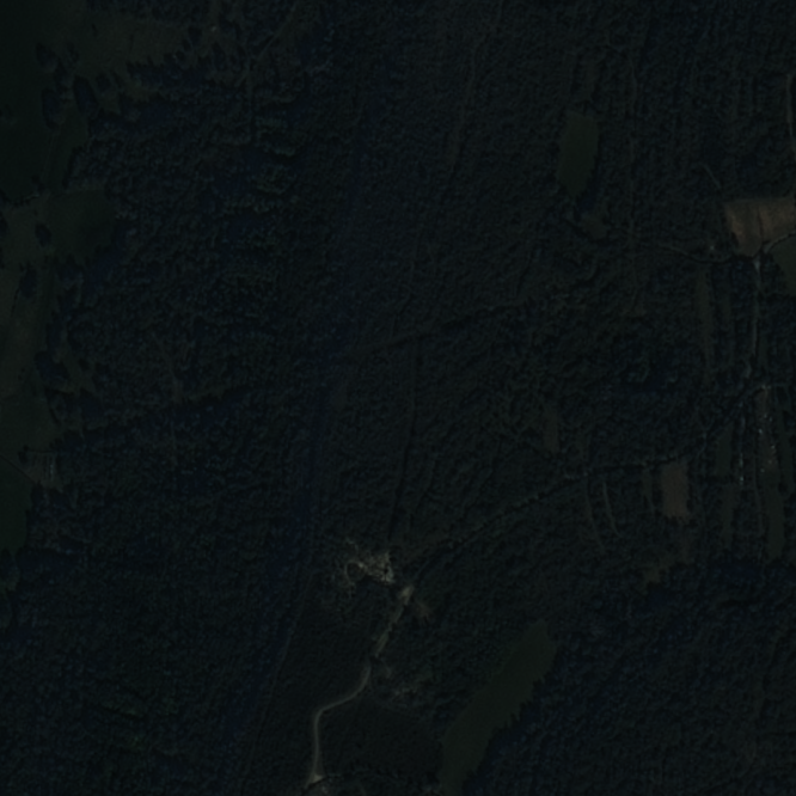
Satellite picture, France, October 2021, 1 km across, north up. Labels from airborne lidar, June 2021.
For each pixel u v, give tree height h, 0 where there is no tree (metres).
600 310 16
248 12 6
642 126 8
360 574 6
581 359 21
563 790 11
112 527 21
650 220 9
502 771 13
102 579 17
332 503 9
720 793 8
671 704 10
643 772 7
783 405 12
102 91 12
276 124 13
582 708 10
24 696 17
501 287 8
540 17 8
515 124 6
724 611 9
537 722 15
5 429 0
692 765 8
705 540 7
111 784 23
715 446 10
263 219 26
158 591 18
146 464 17
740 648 13
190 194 13
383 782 9
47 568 17
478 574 11
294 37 0
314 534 8
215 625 15
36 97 0
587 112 13
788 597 16
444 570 12
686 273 8
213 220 10
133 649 26
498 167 13
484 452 9
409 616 11
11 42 0
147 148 15
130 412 13
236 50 0
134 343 10
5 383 0
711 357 0
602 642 16
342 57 15
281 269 21
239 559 20
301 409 6
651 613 18
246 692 9
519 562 8
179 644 23
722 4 17
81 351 17
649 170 7
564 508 8
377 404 7
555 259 18
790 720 12
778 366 10
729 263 6
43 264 0
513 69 7
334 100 20
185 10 19
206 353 17
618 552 13
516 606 13
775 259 8
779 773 13
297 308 9
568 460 9
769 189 16
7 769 15
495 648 18
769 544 8
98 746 18
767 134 6
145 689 21
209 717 11
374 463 7
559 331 11
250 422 17
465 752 0
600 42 8
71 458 13
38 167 0
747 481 6
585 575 6
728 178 8
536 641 0
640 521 10
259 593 8
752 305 14
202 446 18
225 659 17
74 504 21
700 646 6
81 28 0
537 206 6
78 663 13
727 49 9
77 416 17
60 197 0
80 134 0
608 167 11
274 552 8
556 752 12
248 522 16
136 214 16
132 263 12
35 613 27
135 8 14
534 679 0
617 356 15
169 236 15
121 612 23
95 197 0
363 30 14
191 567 19
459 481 6
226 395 0
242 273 27
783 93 6
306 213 16
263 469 18
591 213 14
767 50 8
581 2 8
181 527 19
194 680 16
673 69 12
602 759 13
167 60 0
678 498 0
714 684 15
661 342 14
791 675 13
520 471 10
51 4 0
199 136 14
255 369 11
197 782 10
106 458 15
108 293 20
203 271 8
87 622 18
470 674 14
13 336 0
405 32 7
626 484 11
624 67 10
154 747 14
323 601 9
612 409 18
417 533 10
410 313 6
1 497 0
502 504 7
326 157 19
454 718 13
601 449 12
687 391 16
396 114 7
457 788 0
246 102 8
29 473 0
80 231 0
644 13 9
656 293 8
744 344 12
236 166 9
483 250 8
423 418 6
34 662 21
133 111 15
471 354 6
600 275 11
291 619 7
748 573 10
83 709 11
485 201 13
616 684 12
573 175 0
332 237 10
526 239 7
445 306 19
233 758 6
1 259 5
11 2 0
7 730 14
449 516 9
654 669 13
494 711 0
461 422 6
